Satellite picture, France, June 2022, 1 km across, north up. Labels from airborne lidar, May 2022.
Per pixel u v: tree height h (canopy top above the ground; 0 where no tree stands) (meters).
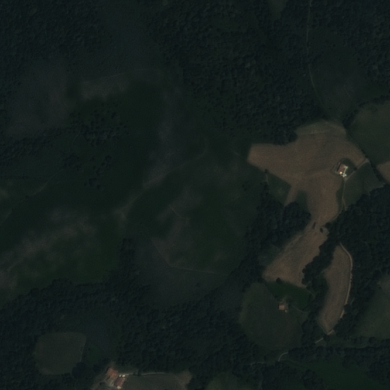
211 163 0
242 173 0
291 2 14
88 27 11
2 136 11
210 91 12
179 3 11
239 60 25
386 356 21
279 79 14
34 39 16
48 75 0
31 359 17
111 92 0
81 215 0
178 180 0
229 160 0
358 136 0
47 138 10
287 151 0
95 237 0
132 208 0
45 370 0
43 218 0
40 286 0
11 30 16
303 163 0
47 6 20
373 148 0
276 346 0
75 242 0
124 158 0
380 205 26
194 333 9
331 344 0
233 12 13
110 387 0
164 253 0
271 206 19
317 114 18
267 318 0
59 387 8
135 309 18
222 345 6
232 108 12
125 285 15
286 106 14
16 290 0
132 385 0
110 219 0
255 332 0
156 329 20
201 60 10
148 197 0
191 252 0
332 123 0
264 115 13
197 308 23
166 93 0
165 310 8
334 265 0
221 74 13
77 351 0
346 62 0
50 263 0
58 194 0
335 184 0
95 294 21
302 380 8
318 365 0
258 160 0
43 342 0
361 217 26
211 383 0
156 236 0
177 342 8
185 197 0
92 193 0
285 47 8
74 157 12
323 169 0
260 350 10
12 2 18
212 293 10
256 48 21
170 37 17
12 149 19
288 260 0
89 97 0
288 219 23
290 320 0
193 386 16
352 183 0
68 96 0
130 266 16
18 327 30
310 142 0
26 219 0
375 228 28
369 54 15
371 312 0
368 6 25
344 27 13
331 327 0
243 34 12
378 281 18
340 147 0
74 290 22
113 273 6
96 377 0
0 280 0
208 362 24
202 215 0
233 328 26
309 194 0
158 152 0
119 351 11
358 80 0
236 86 17
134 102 0
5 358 12
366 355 24
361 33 14
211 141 0
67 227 0
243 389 0
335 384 0
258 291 0
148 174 0
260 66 21
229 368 22
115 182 0
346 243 20
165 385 0
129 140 0
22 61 15
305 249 0
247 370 25
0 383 9
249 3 23
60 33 12
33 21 27
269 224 20
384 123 0
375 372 14
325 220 0
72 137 0
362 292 22
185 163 0
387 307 0
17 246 0
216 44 15
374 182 0
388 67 21
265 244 8
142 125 0
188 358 6
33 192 0
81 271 0
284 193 0
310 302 7
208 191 0
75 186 0
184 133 0
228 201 0
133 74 0
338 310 0
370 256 17
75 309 19
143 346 15
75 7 18
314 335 10
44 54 10
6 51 22
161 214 0
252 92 14
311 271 17
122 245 7
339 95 0
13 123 0
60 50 9
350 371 0
